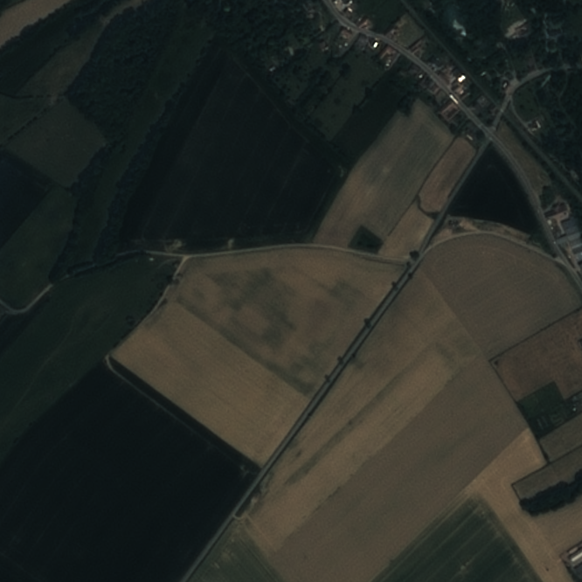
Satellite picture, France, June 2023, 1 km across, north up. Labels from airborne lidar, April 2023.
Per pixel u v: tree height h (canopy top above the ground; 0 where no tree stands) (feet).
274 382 0
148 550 0
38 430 0
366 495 0
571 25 53
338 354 0
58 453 0
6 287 0
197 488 0
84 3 0
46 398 0
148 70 103
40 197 0
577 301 0
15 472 0
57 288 0
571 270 0
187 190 0
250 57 44
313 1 19
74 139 0
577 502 0
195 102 0
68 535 0
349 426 0
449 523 0
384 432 0
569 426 0
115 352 0
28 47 0
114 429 0
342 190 0
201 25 0
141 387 0
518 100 0
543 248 0
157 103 0
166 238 0
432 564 0
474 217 0
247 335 0
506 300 0
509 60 20
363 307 0
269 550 0
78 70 0
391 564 0
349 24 0
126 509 0
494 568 0
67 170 0
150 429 0
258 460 0
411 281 0
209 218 0
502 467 0
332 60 28
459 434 0
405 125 0
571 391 0
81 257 0
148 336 0
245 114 0
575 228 0
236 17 47
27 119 0
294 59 30
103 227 0
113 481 0
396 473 0
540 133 0
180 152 0
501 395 0
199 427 0
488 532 0
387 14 0
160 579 0
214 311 0
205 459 0
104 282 0
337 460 0
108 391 0
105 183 0
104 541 0
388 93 0
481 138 51
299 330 0
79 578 0
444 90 0
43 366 0
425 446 0
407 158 0
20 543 0
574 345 0
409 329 0
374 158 0
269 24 33
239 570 0
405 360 0
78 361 0
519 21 0
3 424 0
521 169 0
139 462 0
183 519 0
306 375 0
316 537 0
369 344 0
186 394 0
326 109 0
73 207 0
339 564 0
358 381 0
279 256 0
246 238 0
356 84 0
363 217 0
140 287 0
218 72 0
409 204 0
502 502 0
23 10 0
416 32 0
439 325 0
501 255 0
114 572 0
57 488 0
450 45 25
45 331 0
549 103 34
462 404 0
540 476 0
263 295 0
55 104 0
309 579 0
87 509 0
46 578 0
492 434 0
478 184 0
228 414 0
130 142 0
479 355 0
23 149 0
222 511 0
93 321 0
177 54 0
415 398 0
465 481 0
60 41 0
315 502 0
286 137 0
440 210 0
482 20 64
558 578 0
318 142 0
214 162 0
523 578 0
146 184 0
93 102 66
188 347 0
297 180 0
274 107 0
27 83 0
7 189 0
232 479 0
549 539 0
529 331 0
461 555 0
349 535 0
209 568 0
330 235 0
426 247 0
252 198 0
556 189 0
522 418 0
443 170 0
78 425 0
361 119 0
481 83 0
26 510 0
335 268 0
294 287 0
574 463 0
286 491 0
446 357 0
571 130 59
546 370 0
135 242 0
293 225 0
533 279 0
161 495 0
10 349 0
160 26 90
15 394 0
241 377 0
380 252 0
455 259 0
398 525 0
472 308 0
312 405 0
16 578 0
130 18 57
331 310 0
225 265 0
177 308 0
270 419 0
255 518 0
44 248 0
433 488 0
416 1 21
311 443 0
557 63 70
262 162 0
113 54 52
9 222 0
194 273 0
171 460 0
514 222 0
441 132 0
